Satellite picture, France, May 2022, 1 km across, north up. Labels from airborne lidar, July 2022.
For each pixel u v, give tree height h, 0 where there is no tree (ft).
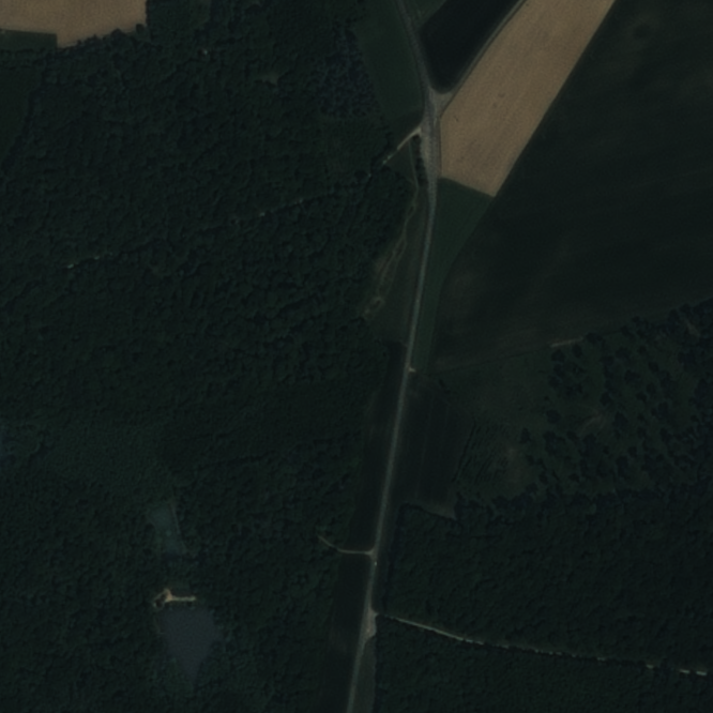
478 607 82
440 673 79
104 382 89
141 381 78
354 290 73
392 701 83
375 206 47
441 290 0
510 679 52
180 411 56
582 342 0
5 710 84
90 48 63
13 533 62
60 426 72
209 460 57
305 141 71
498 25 0
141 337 78
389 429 0
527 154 0
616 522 99
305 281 80
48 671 82
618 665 58
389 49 0
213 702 74
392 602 67
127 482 92
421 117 0
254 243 67
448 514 0
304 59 73
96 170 88
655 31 0
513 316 0
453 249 0
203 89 71
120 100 89
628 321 0
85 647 69
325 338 81
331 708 0
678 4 0
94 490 82
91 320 80
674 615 88
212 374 64
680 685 104
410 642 76
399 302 0
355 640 0
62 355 84
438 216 0
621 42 0
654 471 106
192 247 81
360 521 0
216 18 66
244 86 71
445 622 68
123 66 89
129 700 86
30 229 71
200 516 62
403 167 0
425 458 0
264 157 89
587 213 0
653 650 101
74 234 73
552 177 0
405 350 0
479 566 74
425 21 0
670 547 98
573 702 53
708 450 100
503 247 0
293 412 47
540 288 0
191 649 0
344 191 56
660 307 0
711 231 0
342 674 0
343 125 18
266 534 83
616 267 0
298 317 96
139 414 72
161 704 75
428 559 84
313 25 75
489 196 0
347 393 52
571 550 94
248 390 52
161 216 60
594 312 0
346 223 54
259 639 91
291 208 61
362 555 0
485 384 0
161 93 75
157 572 70
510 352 0
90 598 83
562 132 0
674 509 99
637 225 0
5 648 73
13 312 78
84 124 95
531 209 0
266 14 59
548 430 0
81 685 86
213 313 94
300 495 74
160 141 78
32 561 81
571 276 0
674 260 0
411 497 0
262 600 102
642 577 99
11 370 71
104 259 27
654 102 0
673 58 0
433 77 0
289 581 74
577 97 0
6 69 25
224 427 61
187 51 61
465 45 0
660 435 0
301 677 97
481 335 0
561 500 95
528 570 95
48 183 64
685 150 0
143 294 81
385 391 0
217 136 88
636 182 0
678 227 0
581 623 106
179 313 76
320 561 85
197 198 91
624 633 96
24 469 64
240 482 97
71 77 77
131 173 84
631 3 0
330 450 92
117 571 68
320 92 114
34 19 0
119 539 68
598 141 0
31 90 23
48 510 65
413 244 0
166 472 63
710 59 0
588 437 0
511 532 98
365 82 108
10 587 59
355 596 0
